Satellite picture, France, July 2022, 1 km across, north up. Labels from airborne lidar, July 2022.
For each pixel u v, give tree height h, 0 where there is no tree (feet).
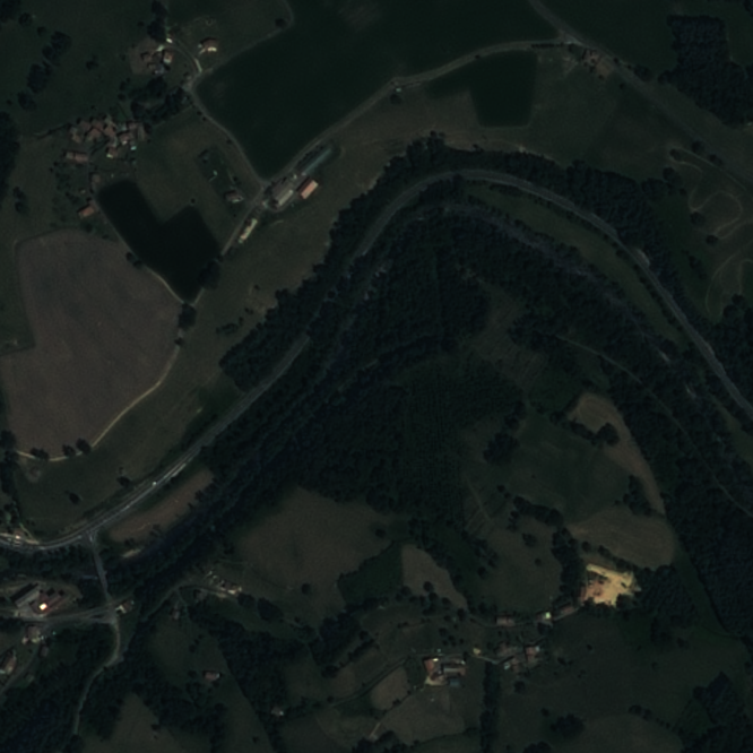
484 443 0
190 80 0
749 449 0
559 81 0
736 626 88
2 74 0
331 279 63
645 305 0
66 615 0
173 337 0
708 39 76
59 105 0
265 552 0
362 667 0
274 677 26
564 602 20
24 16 26
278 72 0
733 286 0
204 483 0
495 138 0
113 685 27
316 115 0
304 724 0
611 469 0
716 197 0
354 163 0
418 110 0
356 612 76
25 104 72
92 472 0
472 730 26
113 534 0
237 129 0
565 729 72
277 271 0
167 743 0
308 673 0
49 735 53
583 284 69
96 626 52
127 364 0
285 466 79
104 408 0
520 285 49
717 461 80
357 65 0
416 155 79
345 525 0
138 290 0
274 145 0
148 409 0
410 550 0
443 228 22
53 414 0
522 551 0
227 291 0
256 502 52
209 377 0
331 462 34
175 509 0
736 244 0
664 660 0
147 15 0
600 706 0
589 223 31
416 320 42
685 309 104
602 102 0
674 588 71
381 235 24
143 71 0
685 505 57
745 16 0
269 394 30
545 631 62
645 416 87
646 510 37
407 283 45
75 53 0
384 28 0
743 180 0
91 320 0
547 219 0
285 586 0
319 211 0
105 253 0
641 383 18
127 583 45
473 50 0
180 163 0
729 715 62
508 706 0
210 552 65
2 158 79
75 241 0
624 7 0
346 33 0
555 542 38
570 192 64
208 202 0
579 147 0
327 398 40
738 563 113
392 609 0
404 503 37
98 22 0
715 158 51
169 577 64
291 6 0
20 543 0
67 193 22
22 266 0
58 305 0
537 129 0
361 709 0
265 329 67
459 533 31
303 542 0
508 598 0
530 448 0
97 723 33
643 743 0
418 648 0
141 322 0
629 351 69
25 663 0
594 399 0
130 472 0
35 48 0
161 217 0
